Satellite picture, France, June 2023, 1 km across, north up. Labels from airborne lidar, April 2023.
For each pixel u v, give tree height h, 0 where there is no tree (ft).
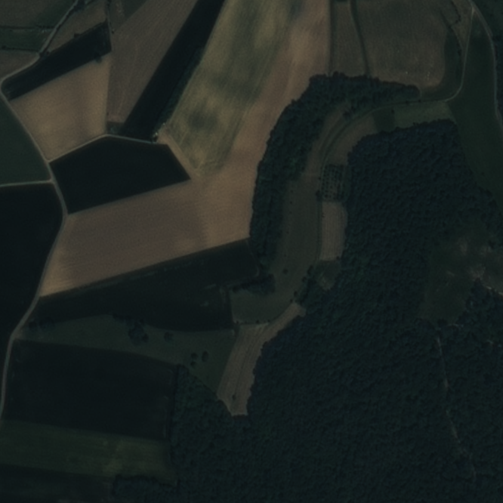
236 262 0
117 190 0
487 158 0
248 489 79
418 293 75
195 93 0
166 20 0
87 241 0
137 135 0
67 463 0
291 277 0
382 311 45
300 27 0
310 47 0
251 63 0
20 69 0
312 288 66
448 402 67
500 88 30
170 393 0
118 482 60
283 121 39
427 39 0
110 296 0
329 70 0
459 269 0
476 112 0
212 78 0
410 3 0
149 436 0
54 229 0
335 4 0
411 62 0
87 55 0
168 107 25
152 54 0
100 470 0
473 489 55
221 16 0
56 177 0
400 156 95
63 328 0
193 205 0
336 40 0
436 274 0
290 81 0
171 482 0
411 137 79
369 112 0
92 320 0
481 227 0
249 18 0
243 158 0
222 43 0
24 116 0
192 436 75
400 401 52
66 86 0
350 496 35
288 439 61
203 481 70
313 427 70
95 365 0
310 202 0
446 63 0
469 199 83
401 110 0
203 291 0
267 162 45
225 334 0
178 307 0
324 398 56
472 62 0
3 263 0
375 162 76
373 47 0
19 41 0
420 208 82
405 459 66
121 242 0
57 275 0
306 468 50
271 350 87
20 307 0
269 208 74
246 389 0
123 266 0
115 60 0
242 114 0
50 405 0
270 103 0
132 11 0
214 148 0
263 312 0
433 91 0
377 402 46
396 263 79
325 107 70
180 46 0
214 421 36
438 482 66
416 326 70
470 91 0
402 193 86
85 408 0
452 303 0
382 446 62
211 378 0
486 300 81
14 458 0
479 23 0
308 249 0
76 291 0
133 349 0
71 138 0
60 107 0
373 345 73
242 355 0
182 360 0
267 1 0
